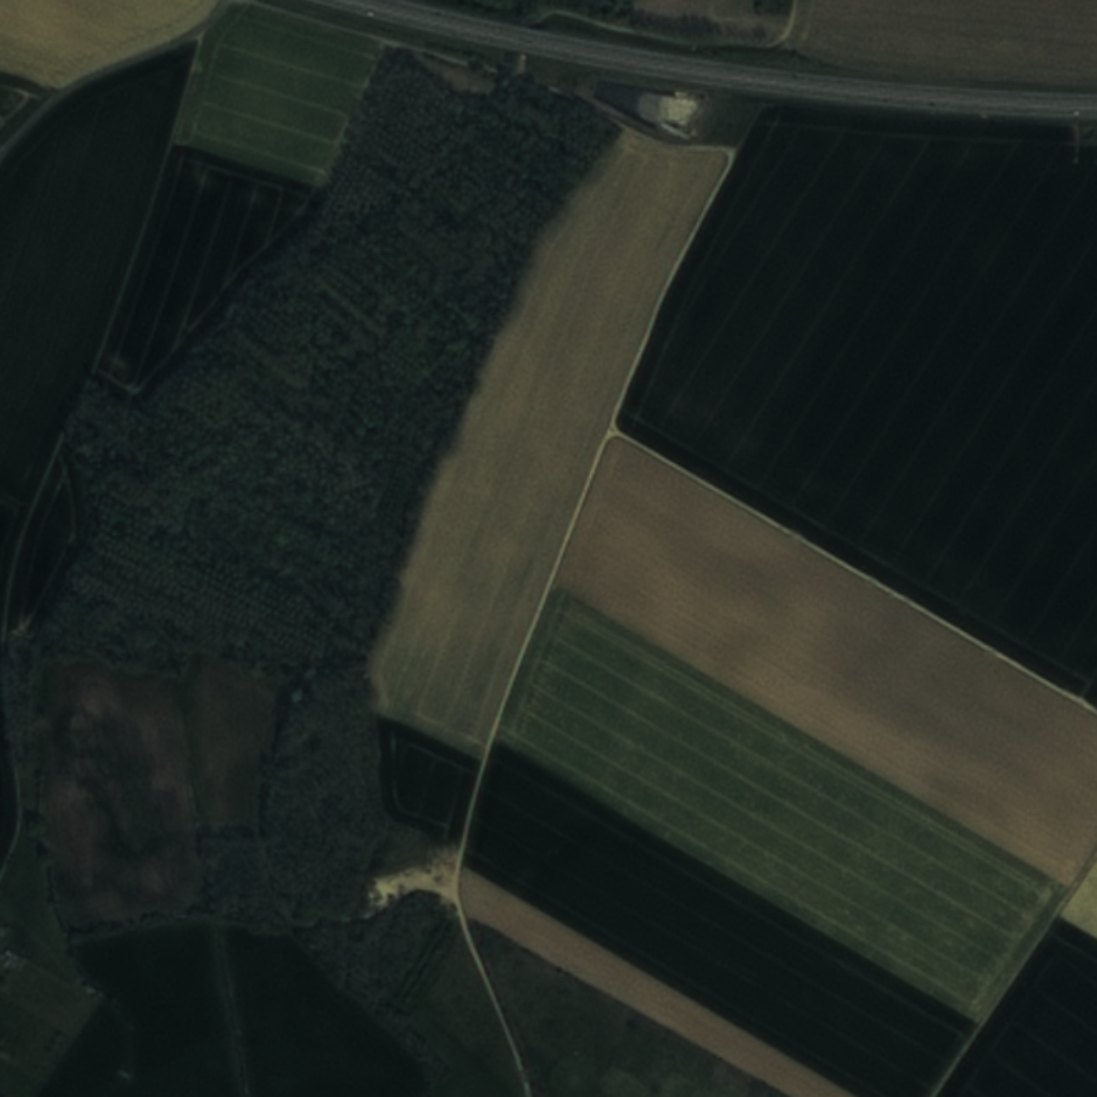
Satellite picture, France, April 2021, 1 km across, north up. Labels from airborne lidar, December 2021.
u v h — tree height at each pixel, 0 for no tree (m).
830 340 0
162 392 17
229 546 21
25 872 0
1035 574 0
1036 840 0
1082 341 0
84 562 15
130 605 30
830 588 0
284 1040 0
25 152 0
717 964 0
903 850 0
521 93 17
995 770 0
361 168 26
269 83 0
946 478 0
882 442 0
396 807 0
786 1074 0
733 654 0
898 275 0
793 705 0
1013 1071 0
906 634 0
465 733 0
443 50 8
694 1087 0
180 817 0
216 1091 0
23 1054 0
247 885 23
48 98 0
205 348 14
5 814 0
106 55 0
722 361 0
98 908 0
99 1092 0
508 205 36
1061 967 0
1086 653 0
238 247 0
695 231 0
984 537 0
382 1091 0
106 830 0
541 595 0
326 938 15
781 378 0
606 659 0
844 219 0
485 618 0
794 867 0
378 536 21
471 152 23
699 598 0
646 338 0
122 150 0
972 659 0
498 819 0
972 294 0
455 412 17
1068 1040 0
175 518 15
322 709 36
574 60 0
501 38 0
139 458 15
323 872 23
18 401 0
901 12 0
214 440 20
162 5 0
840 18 0
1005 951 0
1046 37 0
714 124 0
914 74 0
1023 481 0
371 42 0
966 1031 0
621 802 0
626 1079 0
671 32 19
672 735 0
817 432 0
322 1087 0
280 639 27
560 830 0
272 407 20
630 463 0
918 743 0
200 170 0
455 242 35
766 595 0
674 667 0
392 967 12
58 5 0
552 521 0
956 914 0
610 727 0
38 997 0
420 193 25
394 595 23
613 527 0
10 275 0
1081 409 0
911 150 0
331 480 23
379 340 19
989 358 0
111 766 0
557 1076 0
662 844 0
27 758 32
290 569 27
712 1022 0
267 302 18
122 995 0
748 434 0
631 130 0
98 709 0
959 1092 0
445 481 0
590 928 0
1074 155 0
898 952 0
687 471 0
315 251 14
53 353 0
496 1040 0
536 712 0
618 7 18
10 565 0
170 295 0
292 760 22
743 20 0
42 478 0
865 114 0
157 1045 0
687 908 0
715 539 0
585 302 0
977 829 0
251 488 10
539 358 0
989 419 0
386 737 0
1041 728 0
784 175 0
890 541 0
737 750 0
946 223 0
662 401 0
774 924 0
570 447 0
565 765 0
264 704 0
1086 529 0
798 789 0
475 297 18
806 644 0
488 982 0
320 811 24
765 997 0
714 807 0
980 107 0
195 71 0
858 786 0
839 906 0
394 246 20
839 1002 0
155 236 0
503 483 0
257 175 0
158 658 15
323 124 0
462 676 0
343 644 33
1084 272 0
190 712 0
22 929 0
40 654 10
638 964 0
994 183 0
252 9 0
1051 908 0
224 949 0
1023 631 0
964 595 0
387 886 0
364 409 23
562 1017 0
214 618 21
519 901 0
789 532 0
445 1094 0
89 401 15
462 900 0
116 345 0
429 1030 0
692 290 0
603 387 0
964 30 0
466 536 0
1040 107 0
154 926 7
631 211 0
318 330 23
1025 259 0
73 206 0
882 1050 0
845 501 0
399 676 0
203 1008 0
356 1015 0
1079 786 0
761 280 0
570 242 0
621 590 0
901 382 0
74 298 0
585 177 25
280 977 0
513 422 0
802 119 0
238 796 0
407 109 32
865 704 0
